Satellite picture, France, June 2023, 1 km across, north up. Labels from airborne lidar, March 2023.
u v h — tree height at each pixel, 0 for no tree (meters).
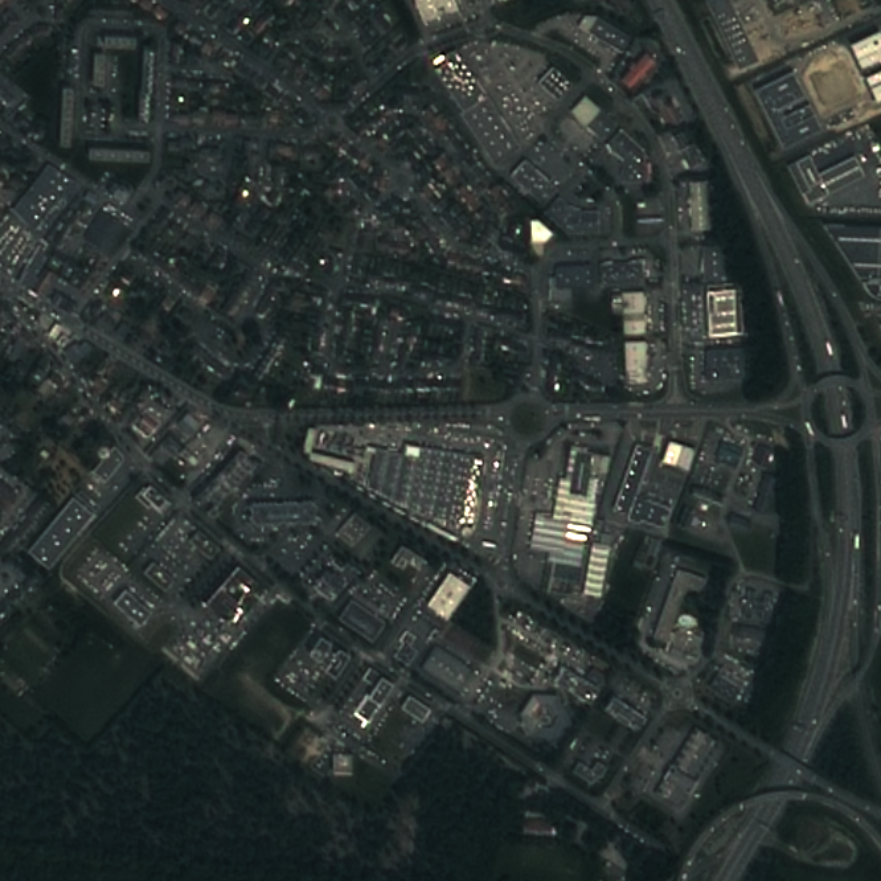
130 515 0
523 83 0
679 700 0
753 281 12
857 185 0
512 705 0
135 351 0
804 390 0
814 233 0
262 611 0
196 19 0
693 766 0
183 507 0
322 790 16
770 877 12
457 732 17
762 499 0
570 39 0
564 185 0
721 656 0
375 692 0
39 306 0
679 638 0
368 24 6
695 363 0
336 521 0
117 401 0
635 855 15
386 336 0
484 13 0
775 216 0
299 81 0
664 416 0
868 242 0
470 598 9
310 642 0
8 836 17
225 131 0
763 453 0
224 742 21
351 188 0
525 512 0
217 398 7
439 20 0
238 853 18
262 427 0
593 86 0
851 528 0
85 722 0
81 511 0
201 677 0
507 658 0
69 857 15
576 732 9
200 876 8
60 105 0
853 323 0
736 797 0
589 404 0
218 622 0
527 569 0
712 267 0
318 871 20
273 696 0
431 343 5
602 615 10
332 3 0
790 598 13
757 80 0
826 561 0
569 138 0
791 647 8
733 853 0
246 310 0
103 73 0
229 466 0
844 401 0
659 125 8
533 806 14
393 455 0
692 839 0
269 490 0
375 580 0
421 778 18
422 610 0
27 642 0
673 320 0
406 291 0
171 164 0
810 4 0
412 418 10
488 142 0
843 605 0
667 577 0
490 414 0
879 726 0
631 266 0
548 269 0
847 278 0
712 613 14
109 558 0
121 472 0
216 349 0
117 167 0
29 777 16
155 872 18
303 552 0
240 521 0
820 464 10
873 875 0
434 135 0
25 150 7
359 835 16
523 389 8
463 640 0
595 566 0
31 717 0
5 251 0
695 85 0
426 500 0
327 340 0
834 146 0
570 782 0
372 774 0
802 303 0
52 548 0
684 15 0
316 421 9
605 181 10
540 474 0
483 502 0
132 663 0
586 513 0
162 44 0
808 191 0
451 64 0
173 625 0
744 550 0
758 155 0
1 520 0
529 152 0
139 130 0
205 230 0
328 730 0
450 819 18
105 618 0
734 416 0
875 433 0
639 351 0
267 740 7
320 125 0
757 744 0
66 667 0
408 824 0
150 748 19
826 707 0
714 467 0
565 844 7
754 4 0
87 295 0
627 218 0
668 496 0
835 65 0
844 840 0
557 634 0
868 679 0
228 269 6
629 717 0
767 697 11
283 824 16
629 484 0
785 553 12
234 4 0
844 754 12
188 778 16
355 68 0
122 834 13
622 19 8
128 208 0
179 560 0
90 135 0
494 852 14
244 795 19
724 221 14
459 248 0
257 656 0
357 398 9
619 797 0
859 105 0
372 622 0
